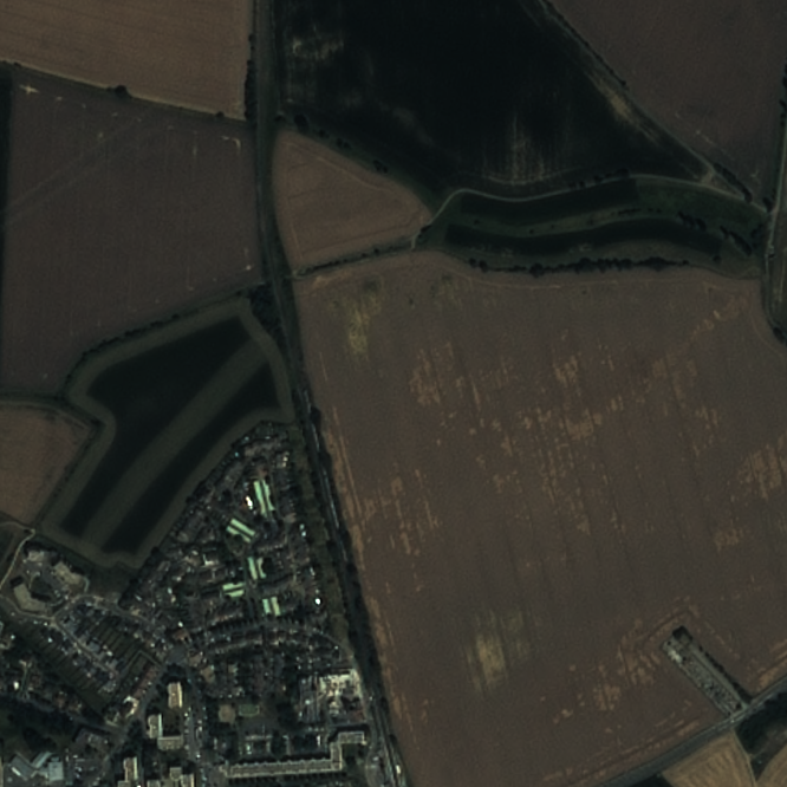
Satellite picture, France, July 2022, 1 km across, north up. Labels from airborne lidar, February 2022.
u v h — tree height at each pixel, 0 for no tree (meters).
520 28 0
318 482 10
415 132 0
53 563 0
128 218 0
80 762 0
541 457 0
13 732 0
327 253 0
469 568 0
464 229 0
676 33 0
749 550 0
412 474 0
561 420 0
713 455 0
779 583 0
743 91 0
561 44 0
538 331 0
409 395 0
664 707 0
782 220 0
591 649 0
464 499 0
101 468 0
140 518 0
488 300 0
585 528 0
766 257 0
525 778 0
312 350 0
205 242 0
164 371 0
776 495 0
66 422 0
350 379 0
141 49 0
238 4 0
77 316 0
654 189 0
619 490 0
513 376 0
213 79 0
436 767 0
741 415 0
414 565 0
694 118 0
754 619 0
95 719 15
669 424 0
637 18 0
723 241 0
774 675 0
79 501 0
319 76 0
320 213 0
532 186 0
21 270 0
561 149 0
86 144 0
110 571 0
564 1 0
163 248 0
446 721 0
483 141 0
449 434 0
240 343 0
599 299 0
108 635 0
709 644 0
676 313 0
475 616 0
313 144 0
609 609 0
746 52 0
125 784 0
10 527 0
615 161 0
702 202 0
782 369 0
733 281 0
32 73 0
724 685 0
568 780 0
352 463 0
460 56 0
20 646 7
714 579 0
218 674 6
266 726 0
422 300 0
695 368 0
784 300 0
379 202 0
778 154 0
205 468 0
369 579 0
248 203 0
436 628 0
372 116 0
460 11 0
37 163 0
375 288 0
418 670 0
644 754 0
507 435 0
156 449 0
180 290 0
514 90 0
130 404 0
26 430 0
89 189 0
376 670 12
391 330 0
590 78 0
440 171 0
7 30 0
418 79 0
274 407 0
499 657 0
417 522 0
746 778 0
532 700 0
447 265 0
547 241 0
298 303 0
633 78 0
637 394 0
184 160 0
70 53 0
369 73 0
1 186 0
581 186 10
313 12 0
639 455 0
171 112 0
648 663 0
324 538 0
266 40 0
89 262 0
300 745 12
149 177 0
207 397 0
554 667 0
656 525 0
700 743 0
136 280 0
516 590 0
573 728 0
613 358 0
